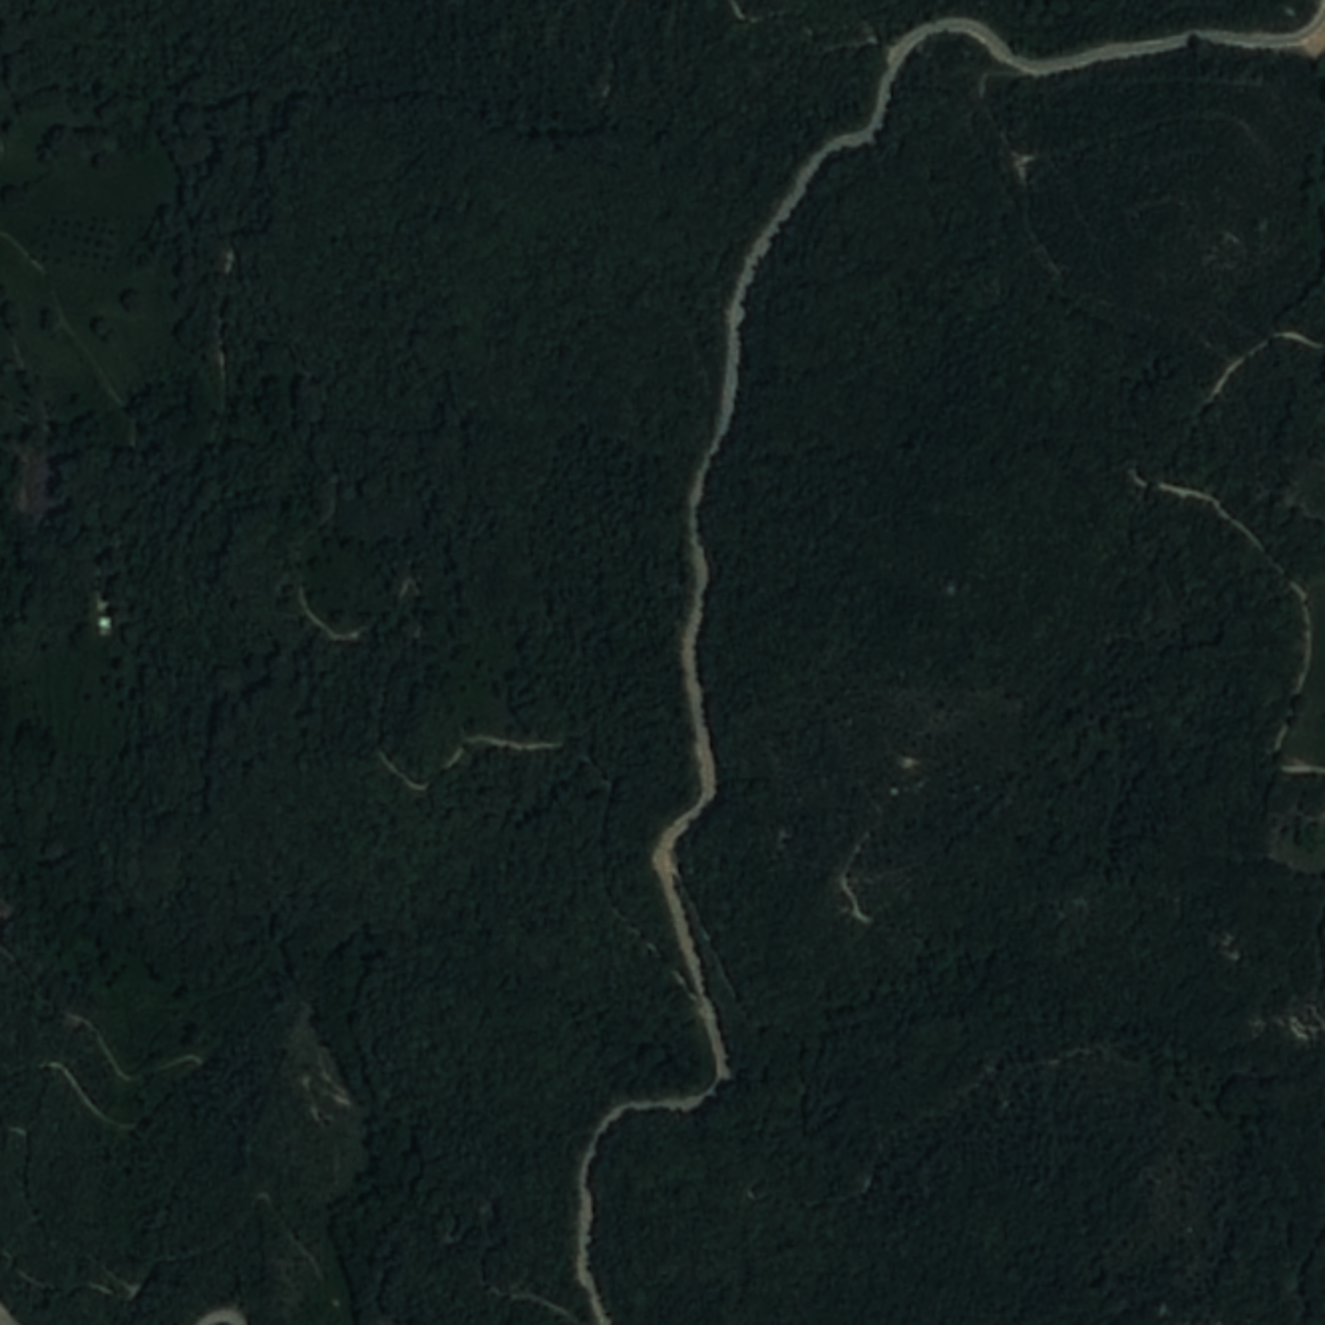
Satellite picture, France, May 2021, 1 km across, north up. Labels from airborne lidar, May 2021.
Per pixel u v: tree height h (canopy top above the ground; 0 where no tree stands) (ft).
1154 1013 37
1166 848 53
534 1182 45
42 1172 55
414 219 39
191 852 46
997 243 43
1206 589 36
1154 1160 27
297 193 42
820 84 33
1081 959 35
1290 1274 49
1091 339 49
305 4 22
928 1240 25
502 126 49
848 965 39
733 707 35
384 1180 75
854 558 26
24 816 74
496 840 58
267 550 35
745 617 32
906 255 52
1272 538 33
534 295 43
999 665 30
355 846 43
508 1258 36
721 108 23
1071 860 45
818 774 19
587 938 31
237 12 28
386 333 36
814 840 28
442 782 37
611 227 35
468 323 40
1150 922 45
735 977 25
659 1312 34
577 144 69
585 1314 31
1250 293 20
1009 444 18
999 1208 25
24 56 39
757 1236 37
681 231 46
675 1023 48
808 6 23
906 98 42
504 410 56
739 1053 66
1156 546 31
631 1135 34
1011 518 34
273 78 30
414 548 33
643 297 45
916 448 53
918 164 45
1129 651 44
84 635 37
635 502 32
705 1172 33
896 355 40
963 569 17
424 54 35
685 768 42
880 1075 49
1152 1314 28
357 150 56
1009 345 28
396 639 35
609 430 60
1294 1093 49
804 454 31
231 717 60
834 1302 25
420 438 58
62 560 52
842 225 44
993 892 29
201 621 28
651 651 30
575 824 43
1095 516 31
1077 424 47
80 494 45
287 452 26
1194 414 33
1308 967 32
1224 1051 34
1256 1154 48
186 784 47
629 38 22
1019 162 0
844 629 35
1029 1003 53
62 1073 26
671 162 46
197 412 74
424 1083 41
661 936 41
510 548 45
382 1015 34
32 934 46
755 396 33
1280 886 52
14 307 34
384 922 65
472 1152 22
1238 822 38
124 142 25
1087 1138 20
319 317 39
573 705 21
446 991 44
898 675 28
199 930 62
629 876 32
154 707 46
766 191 43
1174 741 33
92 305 0
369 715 30
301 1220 29
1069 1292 49
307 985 62
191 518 38
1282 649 45
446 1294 35
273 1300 39
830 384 51
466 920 87
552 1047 34
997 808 24
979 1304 30
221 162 60
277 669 53
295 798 46
